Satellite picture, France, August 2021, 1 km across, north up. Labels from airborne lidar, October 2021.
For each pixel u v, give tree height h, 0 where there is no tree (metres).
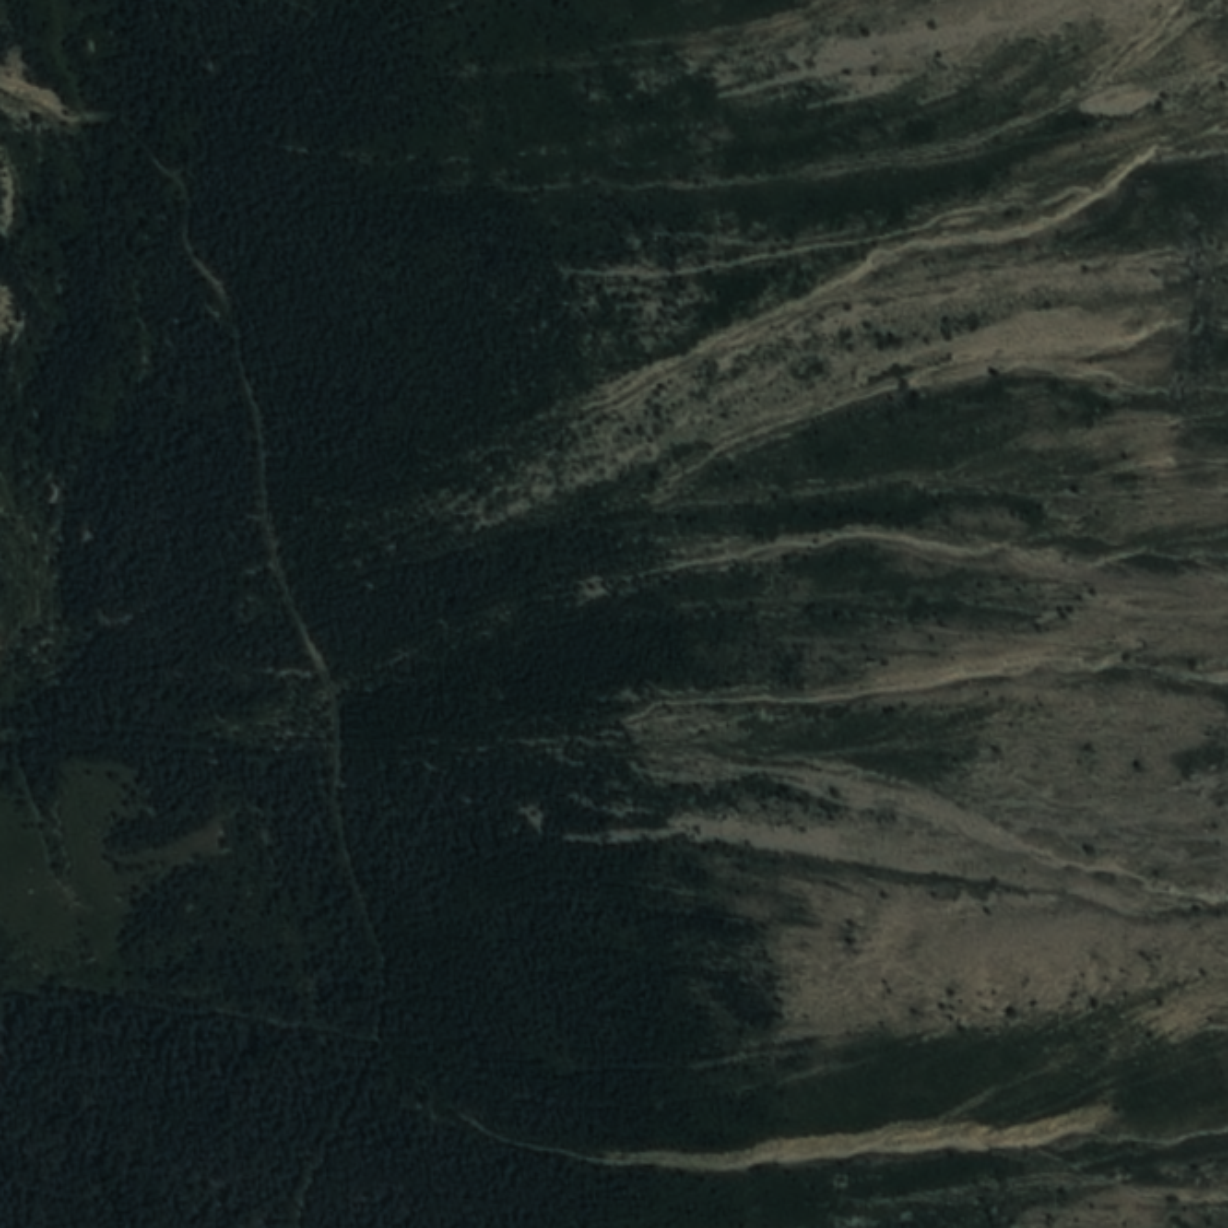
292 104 8
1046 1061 0
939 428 0
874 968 0
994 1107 0
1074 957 0
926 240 0
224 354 8
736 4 0
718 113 0
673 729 0
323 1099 11
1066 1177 0
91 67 8
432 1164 10
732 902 0
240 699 7
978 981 0
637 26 0
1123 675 0
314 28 6
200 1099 9
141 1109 10
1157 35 0
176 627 7
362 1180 9
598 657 7
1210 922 0
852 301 0
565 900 6
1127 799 0
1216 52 0
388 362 6
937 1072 0
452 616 7
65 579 7
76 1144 12
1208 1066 0
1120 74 0
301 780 10
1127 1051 0
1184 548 0
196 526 11
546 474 0
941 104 0
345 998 7
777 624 0
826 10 0
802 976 0
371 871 8
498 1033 10
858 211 0
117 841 7
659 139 0
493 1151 8
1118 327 0
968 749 0
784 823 0
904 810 0
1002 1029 0
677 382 0
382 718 11
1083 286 0
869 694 0
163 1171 8
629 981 7
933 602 0
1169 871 0
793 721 0
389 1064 8
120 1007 9
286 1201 10
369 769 6
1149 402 0
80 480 7
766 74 0
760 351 0
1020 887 0
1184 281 0
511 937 6
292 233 7
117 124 7
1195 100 0
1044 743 0
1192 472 0
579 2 0
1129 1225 0
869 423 0
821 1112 0
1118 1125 0
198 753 7
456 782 6
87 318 12
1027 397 0
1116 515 0
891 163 0
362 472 8
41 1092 13
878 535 0
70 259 11
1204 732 0
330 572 7
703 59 0
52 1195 10
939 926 0
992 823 0
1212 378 0
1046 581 0
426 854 10
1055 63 0
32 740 7
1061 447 0
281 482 8
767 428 0
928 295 0
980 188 0
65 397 8
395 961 11
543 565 7
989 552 0
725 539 0
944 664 0
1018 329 0
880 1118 0
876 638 0
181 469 10
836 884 0
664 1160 0
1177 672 0
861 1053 0
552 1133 8
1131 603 0
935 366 0
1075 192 0
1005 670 0
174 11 11
